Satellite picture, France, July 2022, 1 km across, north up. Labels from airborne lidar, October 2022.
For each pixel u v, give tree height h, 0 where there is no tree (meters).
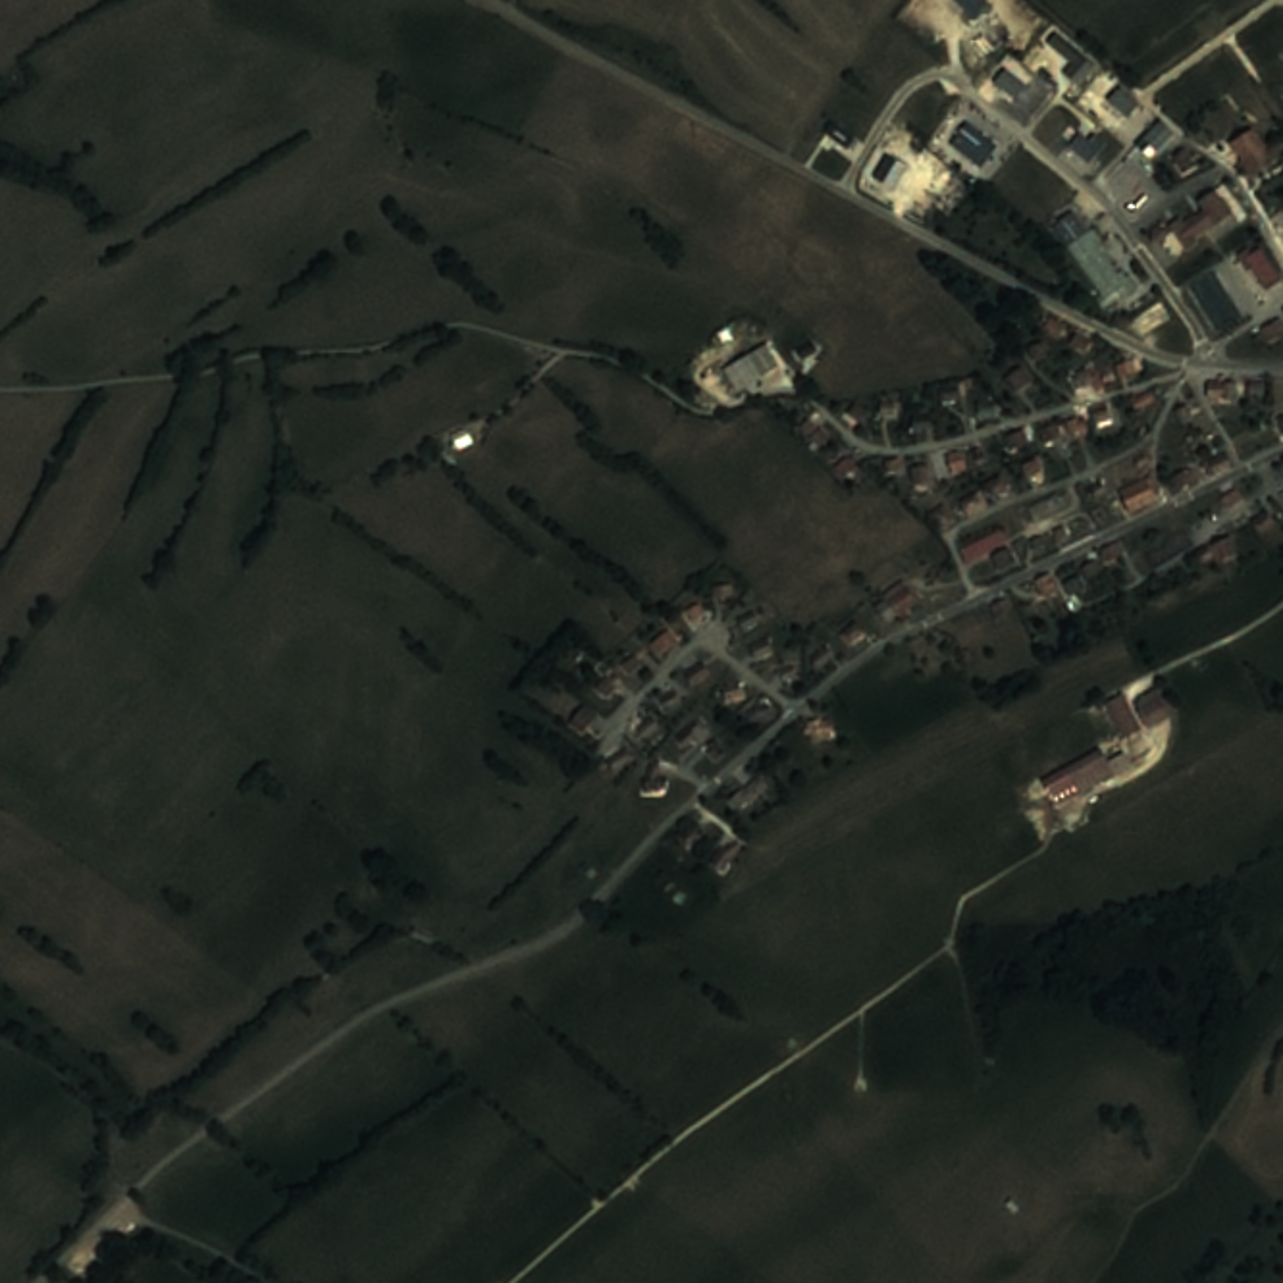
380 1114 0
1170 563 0
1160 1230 0
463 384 0
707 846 7
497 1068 0
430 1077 0
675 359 0
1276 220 0
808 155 0
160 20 0
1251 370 0
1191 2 0
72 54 0
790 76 0
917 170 0
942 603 0
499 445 0
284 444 7
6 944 0
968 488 6
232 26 0
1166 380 0
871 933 0
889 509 0
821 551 0
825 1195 0
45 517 0
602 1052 0
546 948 0
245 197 0
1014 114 0
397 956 0
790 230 0
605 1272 0
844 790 0
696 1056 0
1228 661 0
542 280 0
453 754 0
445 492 0
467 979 0
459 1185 0
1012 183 0
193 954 0
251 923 0
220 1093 0
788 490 0
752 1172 0
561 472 0
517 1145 0
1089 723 0
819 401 7
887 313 0
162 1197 0
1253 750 0
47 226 0
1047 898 0
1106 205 0
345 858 0
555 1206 0
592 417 15
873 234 0
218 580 0
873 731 0
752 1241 0
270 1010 9
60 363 0
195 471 0
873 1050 0
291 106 0
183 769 0
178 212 8
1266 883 0
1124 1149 0
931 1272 0
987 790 0
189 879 0
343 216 0
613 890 0
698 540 0
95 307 0
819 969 0
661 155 0
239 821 0
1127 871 0
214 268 0
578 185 0
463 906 0
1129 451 0
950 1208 0
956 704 0
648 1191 0
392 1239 0
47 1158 0
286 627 0
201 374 13
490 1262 0
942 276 20
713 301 0
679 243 8
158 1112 17
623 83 0
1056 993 10
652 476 8
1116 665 0
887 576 0
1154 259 0
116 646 0
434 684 0
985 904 0
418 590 0
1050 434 0
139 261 0
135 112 0
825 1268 0
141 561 0
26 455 0
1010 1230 0
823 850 0
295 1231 0
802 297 0
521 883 8
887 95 0
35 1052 15
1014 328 19
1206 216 0
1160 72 0
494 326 0
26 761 0
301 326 0
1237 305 0
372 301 0
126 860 0
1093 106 0
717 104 0
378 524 0
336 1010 0
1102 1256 0
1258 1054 0
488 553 0
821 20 0
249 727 0
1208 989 7
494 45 0
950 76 0
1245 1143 0
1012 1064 0
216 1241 0
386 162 0
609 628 0
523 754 0
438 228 0
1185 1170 0
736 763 0
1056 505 0
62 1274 19
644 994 0
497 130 6
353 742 0
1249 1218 0
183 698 0
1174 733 0
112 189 0
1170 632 0
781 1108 0
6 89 8
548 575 0
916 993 0
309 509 0
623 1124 0
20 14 0
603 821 0
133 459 0
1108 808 0
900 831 0
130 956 0
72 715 0
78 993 0
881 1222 0
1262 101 0
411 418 0
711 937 0
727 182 0
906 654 0
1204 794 0
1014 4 0
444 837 0
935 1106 0
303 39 0
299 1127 0
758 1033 0
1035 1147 0
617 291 0
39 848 0
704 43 0
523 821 0
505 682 0
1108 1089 0
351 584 0
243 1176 0
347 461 0
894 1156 0
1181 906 8
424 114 0
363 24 0
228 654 0
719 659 0
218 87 0
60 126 0
